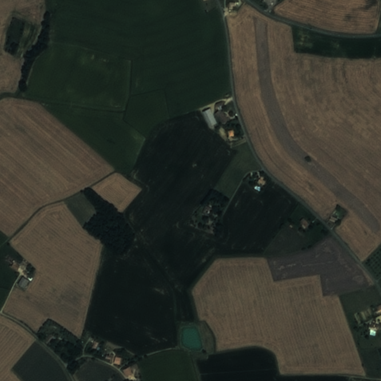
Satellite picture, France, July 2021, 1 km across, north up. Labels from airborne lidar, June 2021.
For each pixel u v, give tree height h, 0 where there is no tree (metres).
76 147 0
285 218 0
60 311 0
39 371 0
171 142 0
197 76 0
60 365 0
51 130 0
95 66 0
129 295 0
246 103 0
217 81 0
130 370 0
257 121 0
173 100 0
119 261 0
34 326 0
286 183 0
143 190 0
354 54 0
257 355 0
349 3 0
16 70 0
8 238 0
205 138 0
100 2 0
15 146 0
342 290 0
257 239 0
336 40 0
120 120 0
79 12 0
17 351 0
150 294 0
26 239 0
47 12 10
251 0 0
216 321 0
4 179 0
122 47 0
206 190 0
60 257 0
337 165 0
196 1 0
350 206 0
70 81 0
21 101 0
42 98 0
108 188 0
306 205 0
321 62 0
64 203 0
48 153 0
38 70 0
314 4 0
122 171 0
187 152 0
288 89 0
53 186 0
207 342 0
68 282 0
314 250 0
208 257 0
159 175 0
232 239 0
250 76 0
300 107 0
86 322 0
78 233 0
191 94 0
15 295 0
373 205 0
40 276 0
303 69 0
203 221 15
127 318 0
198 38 0
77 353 10
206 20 0
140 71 0
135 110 0
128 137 0
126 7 0
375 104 0
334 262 0
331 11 0
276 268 0
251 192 0
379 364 0
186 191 0
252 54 0
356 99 0
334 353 0
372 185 0
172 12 0
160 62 0
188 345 0
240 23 0
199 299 0
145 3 0
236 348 0
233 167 0
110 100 0
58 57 0
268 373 0
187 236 0
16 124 0
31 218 0
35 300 0
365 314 0
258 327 0
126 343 0
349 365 0
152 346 0
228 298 0
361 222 0
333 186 0
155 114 0
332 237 0
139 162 0
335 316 0
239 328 0
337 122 0
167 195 0
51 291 0
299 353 0
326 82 0
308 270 0
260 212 0
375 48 0
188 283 0
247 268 0
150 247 0
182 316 0
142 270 0
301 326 0
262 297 0
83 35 0
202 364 0
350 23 0
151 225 0
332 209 0
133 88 0
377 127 0
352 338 0
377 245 0
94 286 0
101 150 0
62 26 0
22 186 0
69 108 0
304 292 0
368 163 0
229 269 0
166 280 0
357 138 0
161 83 0
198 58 0
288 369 0
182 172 0
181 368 0
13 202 0
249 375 0
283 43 0
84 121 0
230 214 0
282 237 0
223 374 0
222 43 0
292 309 0
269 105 0
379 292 0
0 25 0
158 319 0
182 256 0
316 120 0
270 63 0
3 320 0
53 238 0
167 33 0
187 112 0
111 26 0
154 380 0
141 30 0
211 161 0
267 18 0
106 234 21
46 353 0
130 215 0
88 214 0
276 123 0
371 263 8
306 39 0
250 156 0
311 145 0
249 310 0
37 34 0
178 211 0
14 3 0
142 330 0
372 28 0
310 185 0
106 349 0
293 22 0
